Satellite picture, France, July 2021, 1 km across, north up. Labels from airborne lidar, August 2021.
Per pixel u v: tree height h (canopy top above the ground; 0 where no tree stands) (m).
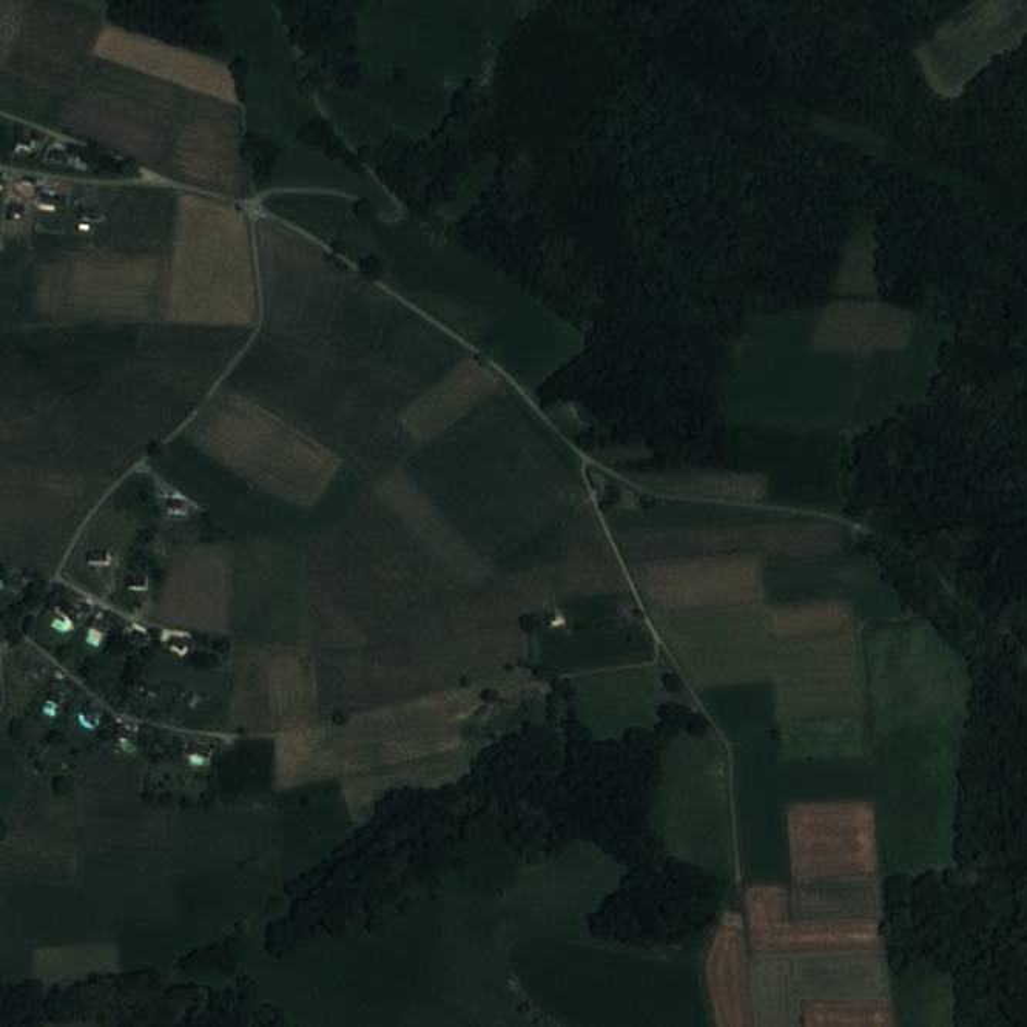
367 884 28
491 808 23
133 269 0
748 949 0
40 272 0
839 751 0
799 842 0
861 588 0
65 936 0
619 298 22
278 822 0
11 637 16
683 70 7
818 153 16
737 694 0
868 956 0
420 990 0
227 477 0
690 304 24
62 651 13
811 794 0
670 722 17
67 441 0
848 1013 0
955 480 28
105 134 0
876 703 0
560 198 19
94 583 0
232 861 0
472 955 0
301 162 0
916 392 0
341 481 0
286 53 0
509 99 10
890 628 0
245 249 0
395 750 0
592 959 0
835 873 0
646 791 25
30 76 0
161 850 0
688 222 21
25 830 0
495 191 9
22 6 0
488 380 0
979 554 15
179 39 10
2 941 0
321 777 0
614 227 9
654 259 11
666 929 19
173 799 11
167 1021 28
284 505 0
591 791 27
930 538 16
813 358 0
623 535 0
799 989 0
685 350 27
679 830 0
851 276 0
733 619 0
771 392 0
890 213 22
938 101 16
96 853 0
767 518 0
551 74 10
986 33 0
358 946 0
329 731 0
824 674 0
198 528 0
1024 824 25
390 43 0
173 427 0
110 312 0
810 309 12
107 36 0
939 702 0
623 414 20
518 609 0
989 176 23
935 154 12
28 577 10
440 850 23
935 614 18
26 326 0
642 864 23
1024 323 29
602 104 15
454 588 0
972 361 16
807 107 9
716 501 0
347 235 0
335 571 0
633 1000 0
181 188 0
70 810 0
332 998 0
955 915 13
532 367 0
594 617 0
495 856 0
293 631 0
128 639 12
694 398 29
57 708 6
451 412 0
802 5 23
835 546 0
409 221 0
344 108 0
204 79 0
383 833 20
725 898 0
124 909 0
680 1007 0
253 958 0
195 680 0
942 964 20
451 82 0
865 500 17
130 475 0
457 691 0
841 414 0
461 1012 0
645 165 24
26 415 0
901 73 21
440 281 0
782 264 18
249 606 0
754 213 17
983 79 15
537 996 0
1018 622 21
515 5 0
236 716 0
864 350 0
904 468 14
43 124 0
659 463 15
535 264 21
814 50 24
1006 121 19
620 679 0
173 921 0
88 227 0
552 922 0
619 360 20
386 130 0
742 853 0
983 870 16
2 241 0
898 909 15
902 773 0
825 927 0
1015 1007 29
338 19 14
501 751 18
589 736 17
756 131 14
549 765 20
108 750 7
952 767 0
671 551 0
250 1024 22
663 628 0
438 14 0
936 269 27
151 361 0
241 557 0
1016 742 8
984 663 10
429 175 18
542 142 8
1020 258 27
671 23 21
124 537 0
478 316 0
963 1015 18
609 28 10
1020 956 25
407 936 0
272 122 0
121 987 29
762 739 0
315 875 15
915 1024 0
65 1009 27
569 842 23
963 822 12
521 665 12
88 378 0
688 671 0
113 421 0
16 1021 26
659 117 14
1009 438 31
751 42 22
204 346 0
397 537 0
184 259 0
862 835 0
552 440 0
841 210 23
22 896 0
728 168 26
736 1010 0
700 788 0
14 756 0
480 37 0
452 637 0
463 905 0
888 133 14
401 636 0
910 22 13
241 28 0
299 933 20
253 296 0
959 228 23
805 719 0
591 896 0
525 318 0
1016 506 23
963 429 16
